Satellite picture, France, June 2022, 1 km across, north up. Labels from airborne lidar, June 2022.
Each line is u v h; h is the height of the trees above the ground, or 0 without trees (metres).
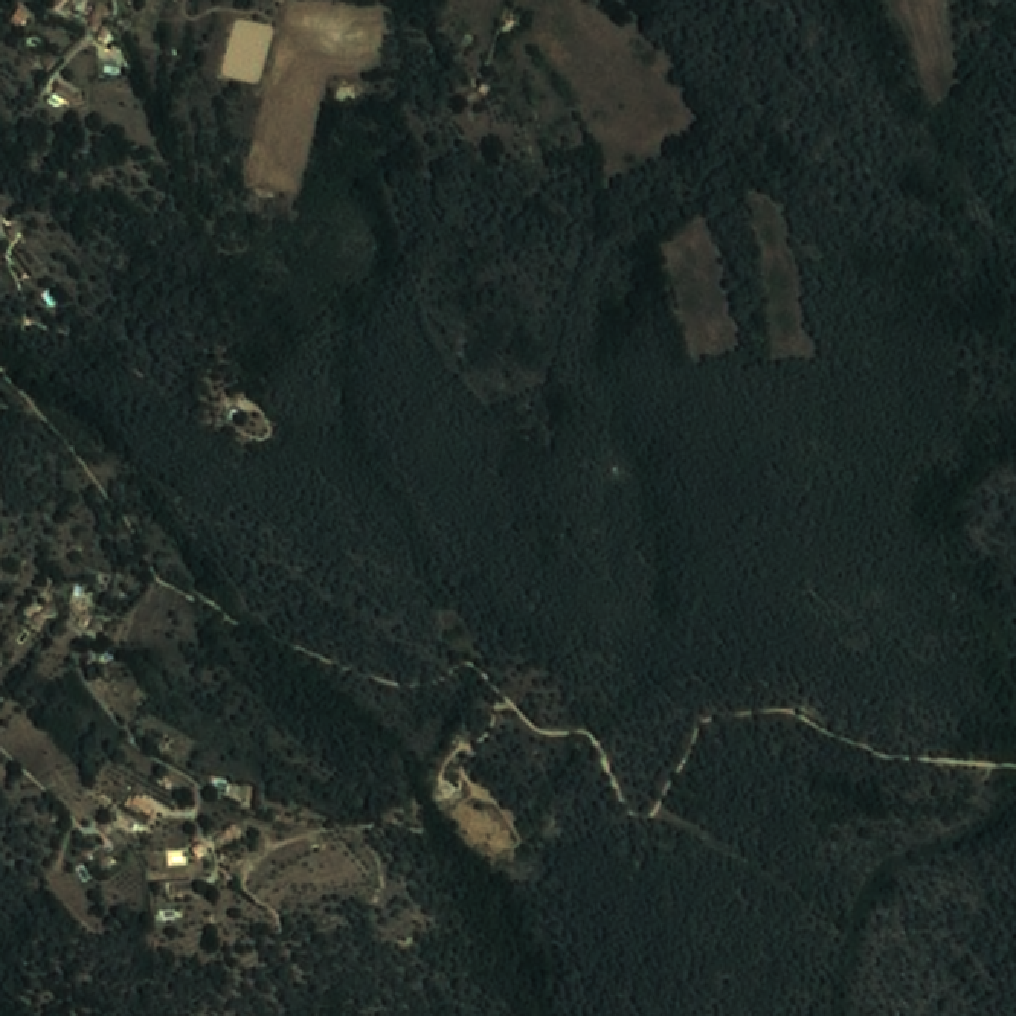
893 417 15
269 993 19
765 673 14
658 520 14
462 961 9
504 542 16
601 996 13
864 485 13
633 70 0
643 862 10
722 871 16
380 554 7
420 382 10
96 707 8
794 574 11
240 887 10
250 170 0
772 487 16
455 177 18
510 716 7
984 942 16
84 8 0
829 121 18
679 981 15
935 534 11
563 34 0
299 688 14
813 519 17
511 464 12
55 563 9
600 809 15
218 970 17
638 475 12
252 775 0
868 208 19
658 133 0
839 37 16
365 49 0
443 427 9
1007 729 12
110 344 14
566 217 13
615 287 13
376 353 13
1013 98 18
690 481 16
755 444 12
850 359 13
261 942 14
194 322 17
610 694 13
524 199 17
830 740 11
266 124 0
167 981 23
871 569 14
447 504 12
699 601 13
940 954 12
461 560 10
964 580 12
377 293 7
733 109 16
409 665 11
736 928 15
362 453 15
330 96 9
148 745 20
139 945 23
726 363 15
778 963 13
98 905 7
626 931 15
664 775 11
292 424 13
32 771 0
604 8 9
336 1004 11
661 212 10
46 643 13
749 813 12
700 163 17
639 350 14
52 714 10
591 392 11
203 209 10
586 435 14
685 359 17
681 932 12
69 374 18
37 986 22
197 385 17
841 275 14
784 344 0
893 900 11
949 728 10
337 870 0
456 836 11
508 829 0
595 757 15
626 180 17
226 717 15
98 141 15
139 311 18
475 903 11
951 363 15
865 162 17
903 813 13
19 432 14
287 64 0
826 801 11
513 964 10
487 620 12
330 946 20
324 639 10
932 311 17
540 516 12
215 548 12
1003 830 11
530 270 7
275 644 14
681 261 0
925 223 14
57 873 0
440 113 17
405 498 15
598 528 10
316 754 9
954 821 10
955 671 17
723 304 0
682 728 13
